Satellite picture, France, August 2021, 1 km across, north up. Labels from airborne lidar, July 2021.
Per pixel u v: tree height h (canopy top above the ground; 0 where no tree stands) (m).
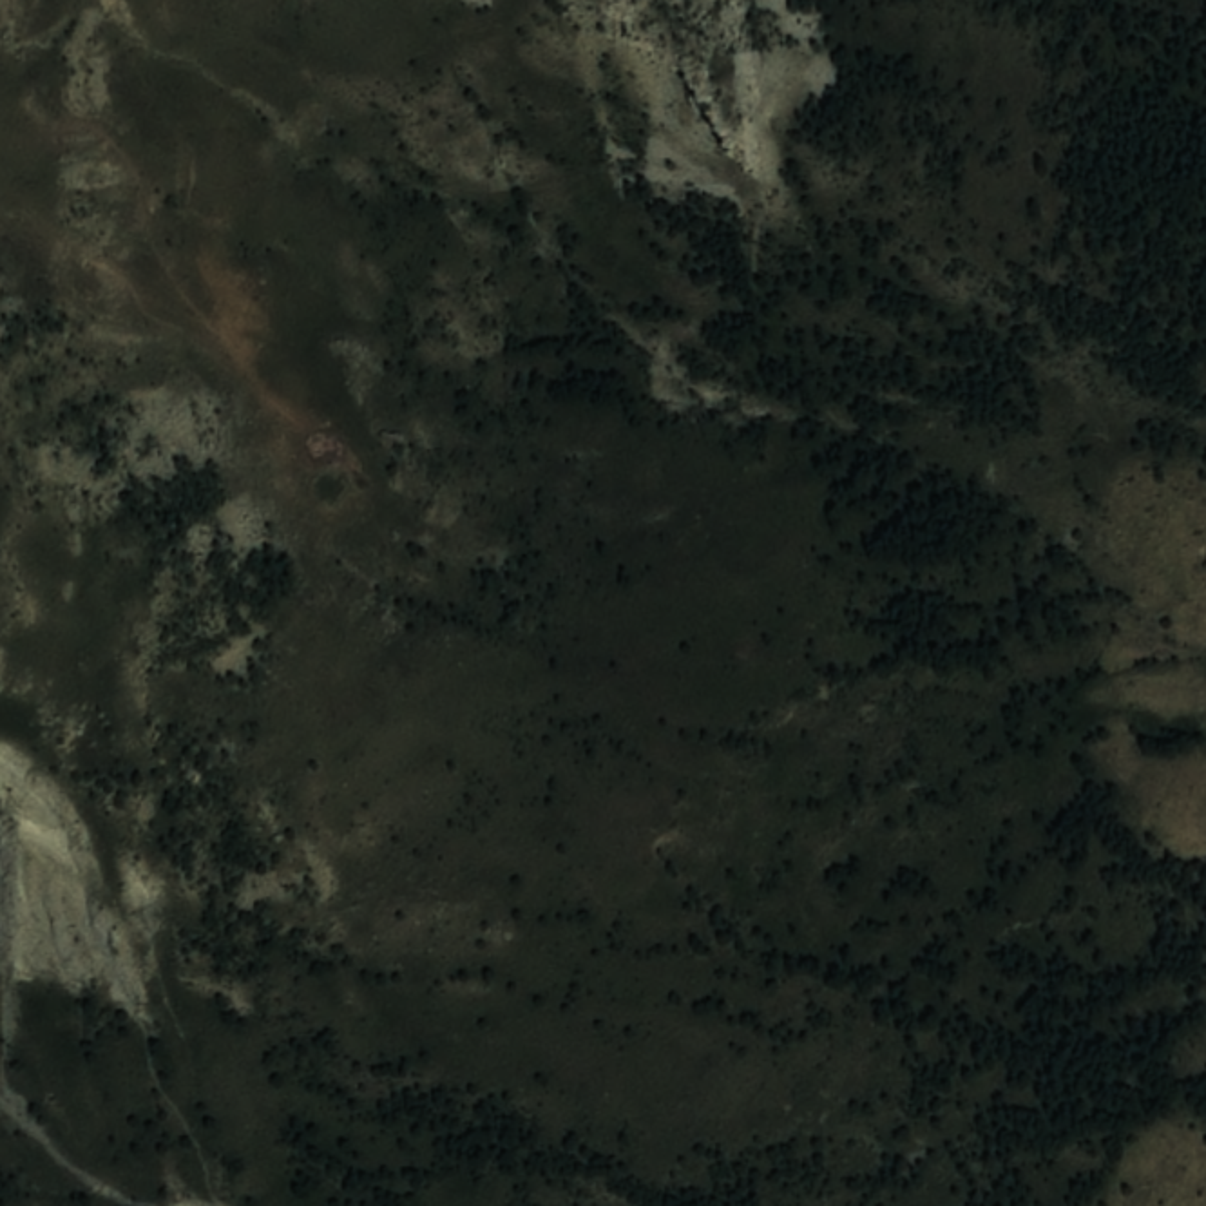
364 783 0
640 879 0
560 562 0
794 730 0
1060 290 12
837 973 14
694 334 0
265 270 0
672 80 0
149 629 0
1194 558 0
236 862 8
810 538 0
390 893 0
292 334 0
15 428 0
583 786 0
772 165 0
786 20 0
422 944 0
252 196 0
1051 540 9
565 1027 0
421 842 0
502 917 0
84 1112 0
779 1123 0
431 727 0
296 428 0
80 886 0
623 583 11
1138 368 14
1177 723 0
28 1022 0
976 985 0
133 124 0
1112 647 0
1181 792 0
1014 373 15
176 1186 0
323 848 0
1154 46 9
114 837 0
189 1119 0
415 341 7
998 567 9
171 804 9
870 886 0
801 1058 0
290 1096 0
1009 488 0
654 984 0
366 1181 17
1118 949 0
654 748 0
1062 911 7
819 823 0
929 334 0
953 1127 0
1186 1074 0
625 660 0
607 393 18
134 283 0
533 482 0
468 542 0
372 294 0
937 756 0
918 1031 14
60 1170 0
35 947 0
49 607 0
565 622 0
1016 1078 14
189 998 0
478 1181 10
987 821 0
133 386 0
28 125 0
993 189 0
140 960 0
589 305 14
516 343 11
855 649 0
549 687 0
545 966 0
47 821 0
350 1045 0
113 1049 0
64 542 0
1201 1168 0
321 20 0
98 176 0
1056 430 0
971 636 0
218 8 0
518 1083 0
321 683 0
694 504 0
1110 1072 20
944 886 0
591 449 0
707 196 8
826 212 0
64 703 0
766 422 12
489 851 0
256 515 0
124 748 0
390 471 8
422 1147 0
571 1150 13
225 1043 0
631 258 0
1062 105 8
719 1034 0
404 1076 12
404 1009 0
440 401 0
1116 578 0
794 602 0
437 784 0
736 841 0
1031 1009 16
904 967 0
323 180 0
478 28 0
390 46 0
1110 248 15
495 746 0
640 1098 0
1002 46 0
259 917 8
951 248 11
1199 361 18
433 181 11
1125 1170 0
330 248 0
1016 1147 11
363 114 0
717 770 0
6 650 0
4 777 0
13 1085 0
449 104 0
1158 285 12
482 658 0
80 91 0
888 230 12
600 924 0
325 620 0
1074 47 9
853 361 16
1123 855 15
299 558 0
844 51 13
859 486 17
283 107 0
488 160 0
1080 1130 15
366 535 0
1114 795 16
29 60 0
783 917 0
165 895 0
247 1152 0
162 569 6
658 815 0
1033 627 9
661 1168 0
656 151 0
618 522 0
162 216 0
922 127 10
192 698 0
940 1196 0
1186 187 18
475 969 0
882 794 10
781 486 0
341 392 0
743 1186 9
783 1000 0
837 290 17
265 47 0
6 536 0
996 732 0
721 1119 0
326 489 0
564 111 0
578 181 0
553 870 0
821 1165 11
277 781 0
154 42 0
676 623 0
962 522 12
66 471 0
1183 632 0
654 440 0
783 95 0
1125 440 0
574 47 0
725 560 0
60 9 0
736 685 0
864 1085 0
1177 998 0
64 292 0
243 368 0
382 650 0
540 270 5
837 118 10
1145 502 0
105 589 0
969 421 9
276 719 0
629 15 0
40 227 0
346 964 7
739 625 0
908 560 17
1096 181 18
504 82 0
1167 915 14
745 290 14
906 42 0
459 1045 0
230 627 10
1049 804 0
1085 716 0
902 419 13
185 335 0
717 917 12
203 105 0
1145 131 18
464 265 0
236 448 0
